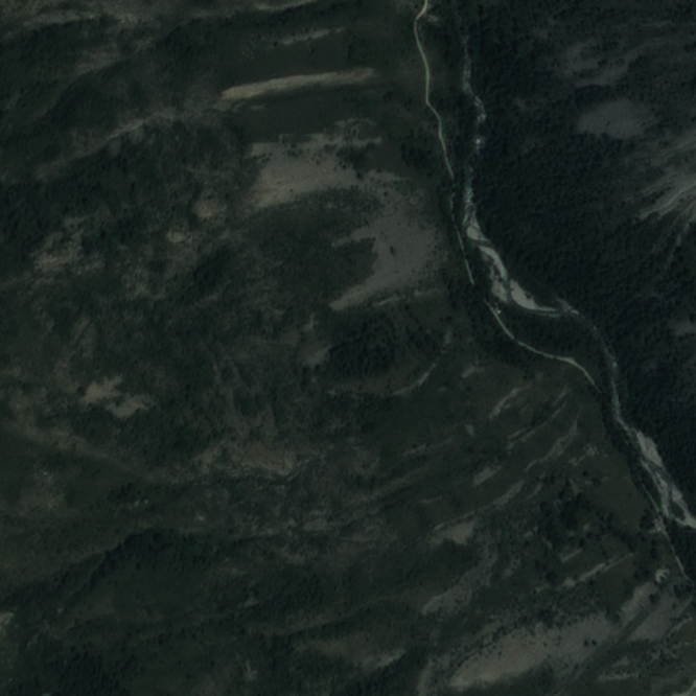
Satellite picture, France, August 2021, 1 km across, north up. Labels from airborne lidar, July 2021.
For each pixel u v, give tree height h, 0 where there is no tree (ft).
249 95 0
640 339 42
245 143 23
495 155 63
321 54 0
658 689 0
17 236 20
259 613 23
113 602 0
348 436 18
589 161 27
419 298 0
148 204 22
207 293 30
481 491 0
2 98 20
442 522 0
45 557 0
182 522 0
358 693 32
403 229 0
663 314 35
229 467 0
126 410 0
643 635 0
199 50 22
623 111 0
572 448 0
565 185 30
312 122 0
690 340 29
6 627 0
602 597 33
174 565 28
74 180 17
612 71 0
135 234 27
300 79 0
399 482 0
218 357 20
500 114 48
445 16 31
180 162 18
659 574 0
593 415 0
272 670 30
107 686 35
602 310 34
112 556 59
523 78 50
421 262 0
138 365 29
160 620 0
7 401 0
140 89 21
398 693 28
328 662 25
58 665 27
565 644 0
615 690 0
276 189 0
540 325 32
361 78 0
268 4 0
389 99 28
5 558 0
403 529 0
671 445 42
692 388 21
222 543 22
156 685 0
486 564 0
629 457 24
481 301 40
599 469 0
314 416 22
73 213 42
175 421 21
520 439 0
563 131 31
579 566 0
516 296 0
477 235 0
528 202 44
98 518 0
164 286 25
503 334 34
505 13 31
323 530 0
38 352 0
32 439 0
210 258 21
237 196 0
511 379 0
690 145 0
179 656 0
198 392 18
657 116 22
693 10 30
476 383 0
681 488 23
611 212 27
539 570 29
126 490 32
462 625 0
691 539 39
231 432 22
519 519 19
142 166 27
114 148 0
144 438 23
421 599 0
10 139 22
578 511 40
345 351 27
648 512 38
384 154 0
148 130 24
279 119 0
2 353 0
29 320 0
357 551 0
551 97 28
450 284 24
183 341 21
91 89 20
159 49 19
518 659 0
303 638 27
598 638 0
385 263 0
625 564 0
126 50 22
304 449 0
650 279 27
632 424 47
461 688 0
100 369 23
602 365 26
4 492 0
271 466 0
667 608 0
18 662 0
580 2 33
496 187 28
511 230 56
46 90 22
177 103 18
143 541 39
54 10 0
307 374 32
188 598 0
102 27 20
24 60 28
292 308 20
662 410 32
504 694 0
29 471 0
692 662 0
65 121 18
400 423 0
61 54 26
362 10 38
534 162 42
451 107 22
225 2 0
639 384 49
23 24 0
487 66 43
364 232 0
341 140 0
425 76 0
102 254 26
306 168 0
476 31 52
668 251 33
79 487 0
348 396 23
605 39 26
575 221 23
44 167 0
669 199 0
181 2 0
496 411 0
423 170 36
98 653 23
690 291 39
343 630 26
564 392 0
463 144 56
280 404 19
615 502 0
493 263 0
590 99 43
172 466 18
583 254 31
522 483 0
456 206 26
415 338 39
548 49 30
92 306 23
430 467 0
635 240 26
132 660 19
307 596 21
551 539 37
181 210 21
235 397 21
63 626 0
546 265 31
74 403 20
